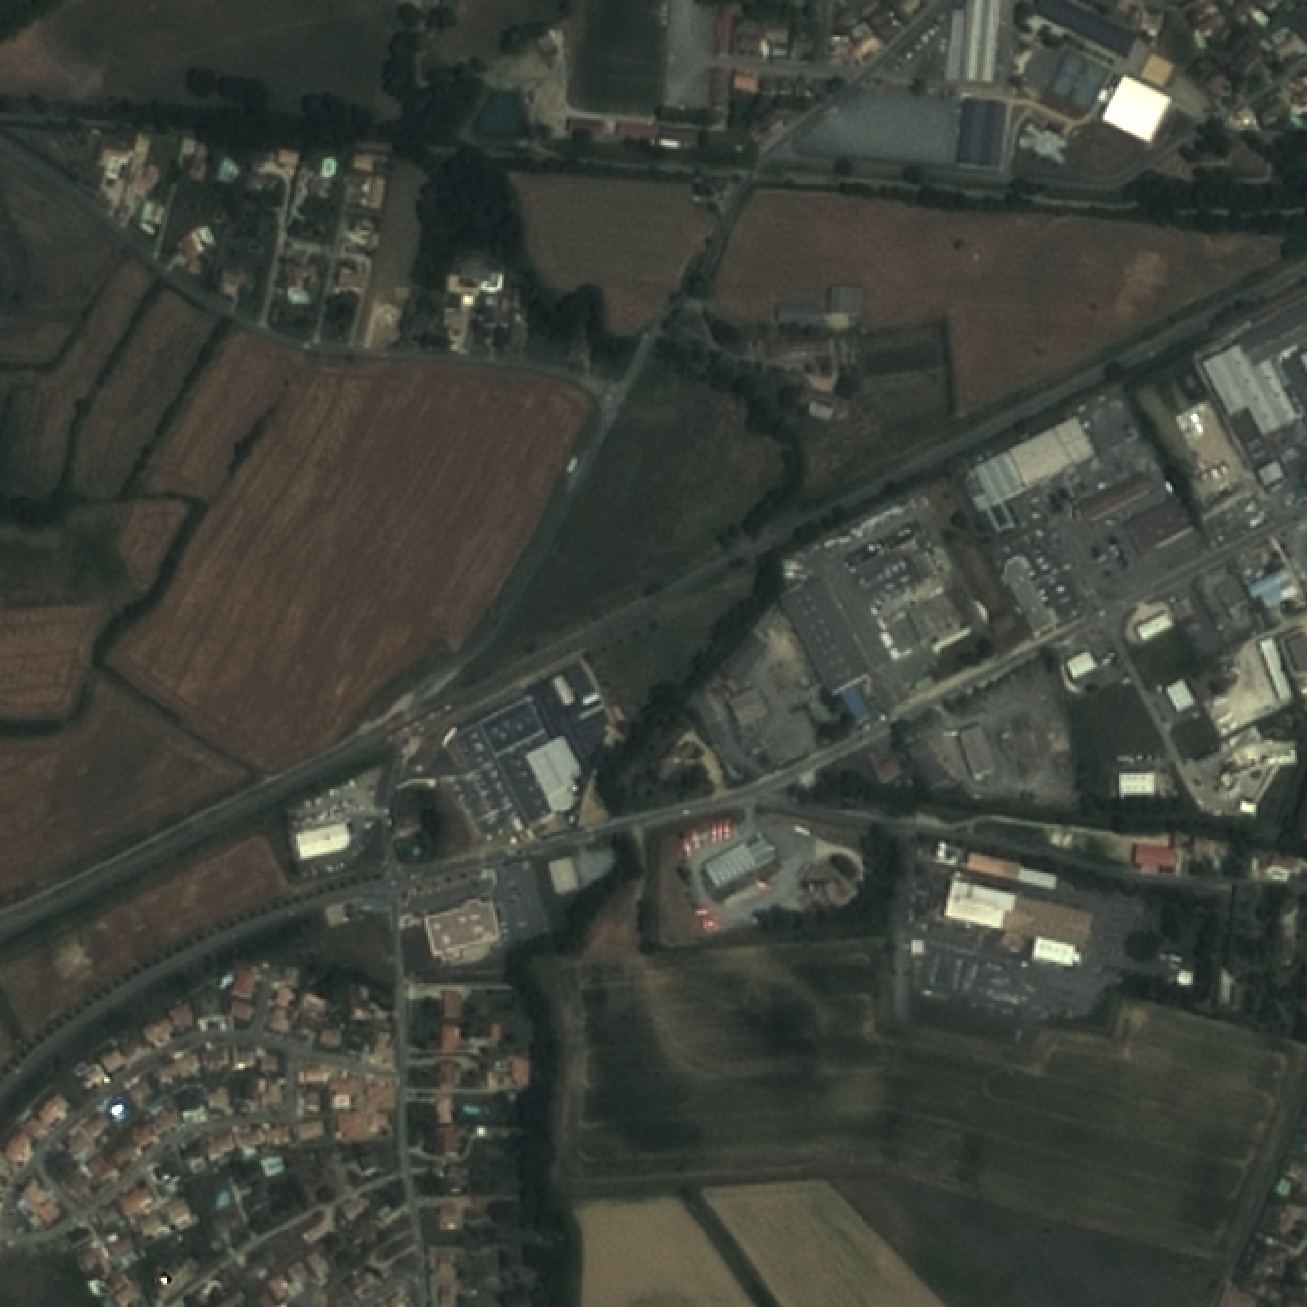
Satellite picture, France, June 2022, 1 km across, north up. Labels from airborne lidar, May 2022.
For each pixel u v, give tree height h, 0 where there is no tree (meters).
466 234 19
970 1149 0
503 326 8
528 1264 11
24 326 0
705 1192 0
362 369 0
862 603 0
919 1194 0
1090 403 0
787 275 0
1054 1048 0
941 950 0
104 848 0
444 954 0
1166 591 0
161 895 0
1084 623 0
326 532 0
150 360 0
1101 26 0
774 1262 0
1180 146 0
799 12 13
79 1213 0
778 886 0
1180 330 0
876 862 18
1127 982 7
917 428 0
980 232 0
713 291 17
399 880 0
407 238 0
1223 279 0
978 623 0
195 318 0
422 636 0
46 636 0
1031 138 0
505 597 0
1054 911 0
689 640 0
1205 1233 0
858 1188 0
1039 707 0
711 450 0
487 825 0
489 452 0
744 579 0
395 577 0
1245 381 0
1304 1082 0
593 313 9
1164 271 0
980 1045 0
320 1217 5
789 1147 0
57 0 25
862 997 0
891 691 0
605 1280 0
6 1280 0
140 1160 0
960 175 0
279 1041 0
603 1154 0
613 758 18
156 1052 0
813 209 0
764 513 14
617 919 0
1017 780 0
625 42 0
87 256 0
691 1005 0
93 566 0
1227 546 0
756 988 0
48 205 0
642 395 0
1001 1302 0
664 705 17
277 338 0
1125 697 0
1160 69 0
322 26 0
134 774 0
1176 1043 0
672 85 0
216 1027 0
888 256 0
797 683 0
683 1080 0
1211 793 0
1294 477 0
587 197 0
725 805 0
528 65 0
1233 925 11
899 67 0
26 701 0
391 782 0
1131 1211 0
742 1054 0
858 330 0
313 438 0
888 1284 0
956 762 0
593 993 0
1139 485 0
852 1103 0
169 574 6
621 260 0
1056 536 0
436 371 0
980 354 0
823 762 0
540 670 0
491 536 0
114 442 0
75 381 0
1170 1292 0
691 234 0
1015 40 0
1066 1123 0
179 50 0
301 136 10
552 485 0
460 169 19
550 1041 14
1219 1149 0
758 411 23
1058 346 0
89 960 0
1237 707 0
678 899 0
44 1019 0
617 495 0
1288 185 9
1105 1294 0
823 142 0
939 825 0
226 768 0
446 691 0
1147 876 0
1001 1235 0
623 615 0
